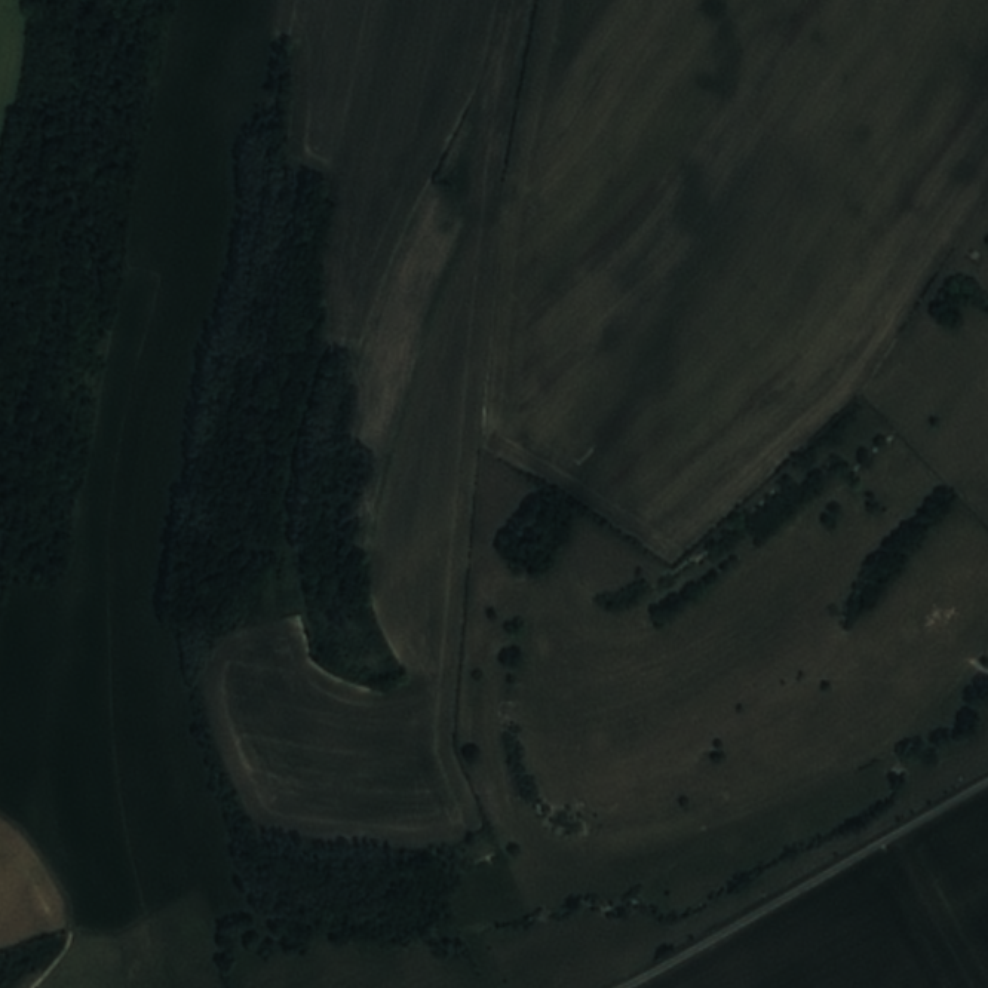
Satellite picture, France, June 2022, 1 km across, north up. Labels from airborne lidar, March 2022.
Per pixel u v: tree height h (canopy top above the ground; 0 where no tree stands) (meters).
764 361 0
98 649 0
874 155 0
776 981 0
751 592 0
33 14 16
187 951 0
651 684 0
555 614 0
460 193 0
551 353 0
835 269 0
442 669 0
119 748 0
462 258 0
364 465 16
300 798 0
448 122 0
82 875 0
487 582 0
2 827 0
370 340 0
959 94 0
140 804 0
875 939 0
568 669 0
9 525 25
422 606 0
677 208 0
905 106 0
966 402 0
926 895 0
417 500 0
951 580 0
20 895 0
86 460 15
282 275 20
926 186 0
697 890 0
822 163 0
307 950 8
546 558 20
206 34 0
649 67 0
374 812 0
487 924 0
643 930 0
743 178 0
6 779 0
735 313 0
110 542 0
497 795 0
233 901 0
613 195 0
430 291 0
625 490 0
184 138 0
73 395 9
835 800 0
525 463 0
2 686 0
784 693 0
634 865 0
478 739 0
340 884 20
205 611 23
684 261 0
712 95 0
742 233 0
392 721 0
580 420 0
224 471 17
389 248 0
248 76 0
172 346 0
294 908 19
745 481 0
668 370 0
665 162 0
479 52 0
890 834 0
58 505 15
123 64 24
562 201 0
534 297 0
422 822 0
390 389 0
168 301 0
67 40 8
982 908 0
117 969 0
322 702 0
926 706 0
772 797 0
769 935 0
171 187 0
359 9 0
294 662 0
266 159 18
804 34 0
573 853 0
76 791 0
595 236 0
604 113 0
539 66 0
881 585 14
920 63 0
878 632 0
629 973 0
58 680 0
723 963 0
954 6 0
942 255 0
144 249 0
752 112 0
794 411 0
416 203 0
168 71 0
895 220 0
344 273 0
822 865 0
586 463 0
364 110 0
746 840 0
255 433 20
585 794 0
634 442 0
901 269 0
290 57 18
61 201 26
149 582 0
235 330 18
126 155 16
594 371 0
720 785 0
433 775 0
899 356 0
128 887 0
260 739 0
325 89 0
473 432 0
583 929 0
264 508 23
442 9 0
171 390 0
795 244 0
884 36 0
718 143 0
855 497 0
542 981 0
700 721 0
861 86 0
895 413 0
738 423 0
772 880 0
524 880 0
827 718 0
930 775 0
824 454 0
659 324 0
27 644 0
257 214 20
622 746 0
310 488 6
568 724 0
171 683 0
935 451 0
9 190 17
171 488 0
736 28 0
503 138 0
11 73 0
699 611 0
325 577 12
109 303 12
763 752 0
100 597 0
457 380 0
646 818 0
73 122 21
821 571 0
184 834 0
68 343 15
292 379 20
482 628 0
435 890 20
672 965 0
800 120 0
